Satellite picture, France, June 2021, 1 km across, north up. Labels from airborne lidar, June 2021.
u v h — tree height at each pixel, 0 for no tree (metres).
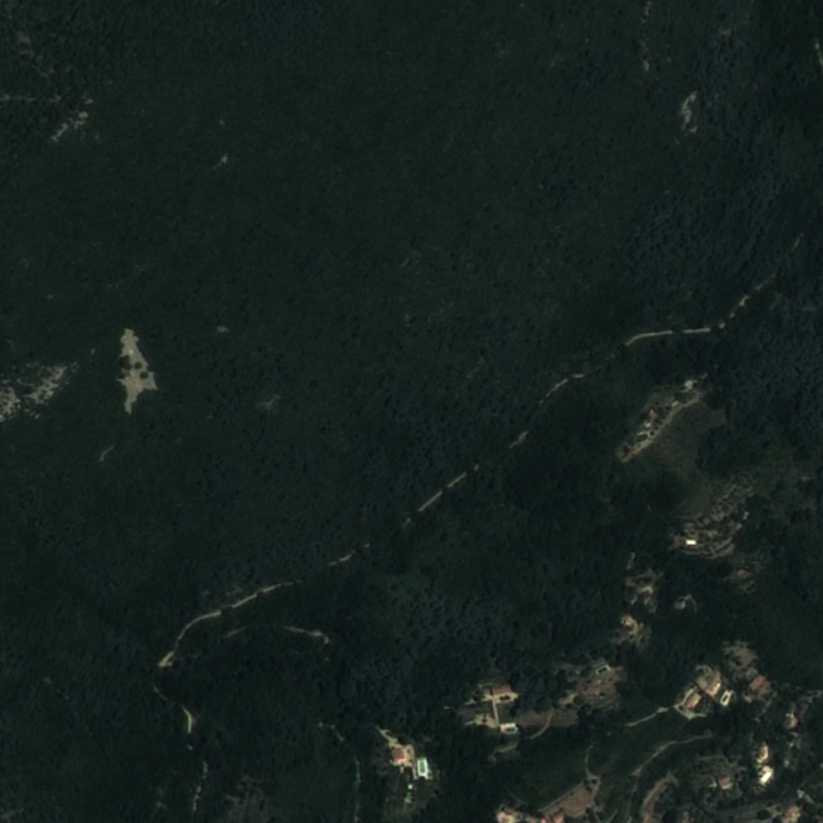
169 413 11
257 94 9
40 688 12
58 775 11
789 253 19
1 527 11
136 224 7
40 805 10
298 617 15
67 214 6
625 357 13
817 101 15
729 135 19
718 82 14
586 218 8
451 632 11
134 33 8
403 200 11
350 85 11
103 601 13
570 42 8
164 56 7
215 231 6
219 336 7
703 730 18
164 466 9
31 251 7
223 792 10
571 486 12
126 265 8
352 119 12
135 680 14
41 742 7
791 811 0
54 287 8
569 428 14
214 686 22
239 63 10
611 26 7
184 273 9
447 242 6
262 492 8
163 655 9
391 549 11
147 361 8
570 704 9
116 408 12
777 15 13
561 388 9
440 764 12
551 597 13
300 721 17
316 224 8
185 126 7
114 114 8
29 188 6
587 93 7
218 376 6
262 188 6
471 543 13
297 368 7
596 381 10
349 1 8
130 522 13
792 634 6
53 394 6
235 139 8
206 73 7
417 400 11
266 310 7
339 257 11
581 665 16
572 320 10
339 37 10
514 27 6
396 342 7
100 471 10
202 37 7
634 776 7
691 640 14
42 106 7
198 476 10
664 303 8
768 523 14
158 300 8
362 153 10
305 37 11
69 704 18
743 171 14
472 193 6
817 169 6
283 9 17
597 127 8
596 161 9
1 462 9
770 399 26
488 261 18
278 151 8
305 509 11
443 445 16
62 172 9
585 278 12
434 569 13
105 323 12
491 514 12
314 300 9
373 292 6
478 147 7
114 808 9
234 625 10
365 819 11
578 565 6
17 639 14
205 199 7
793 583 20
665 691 8
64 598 13
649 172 8
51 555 11
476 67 8
